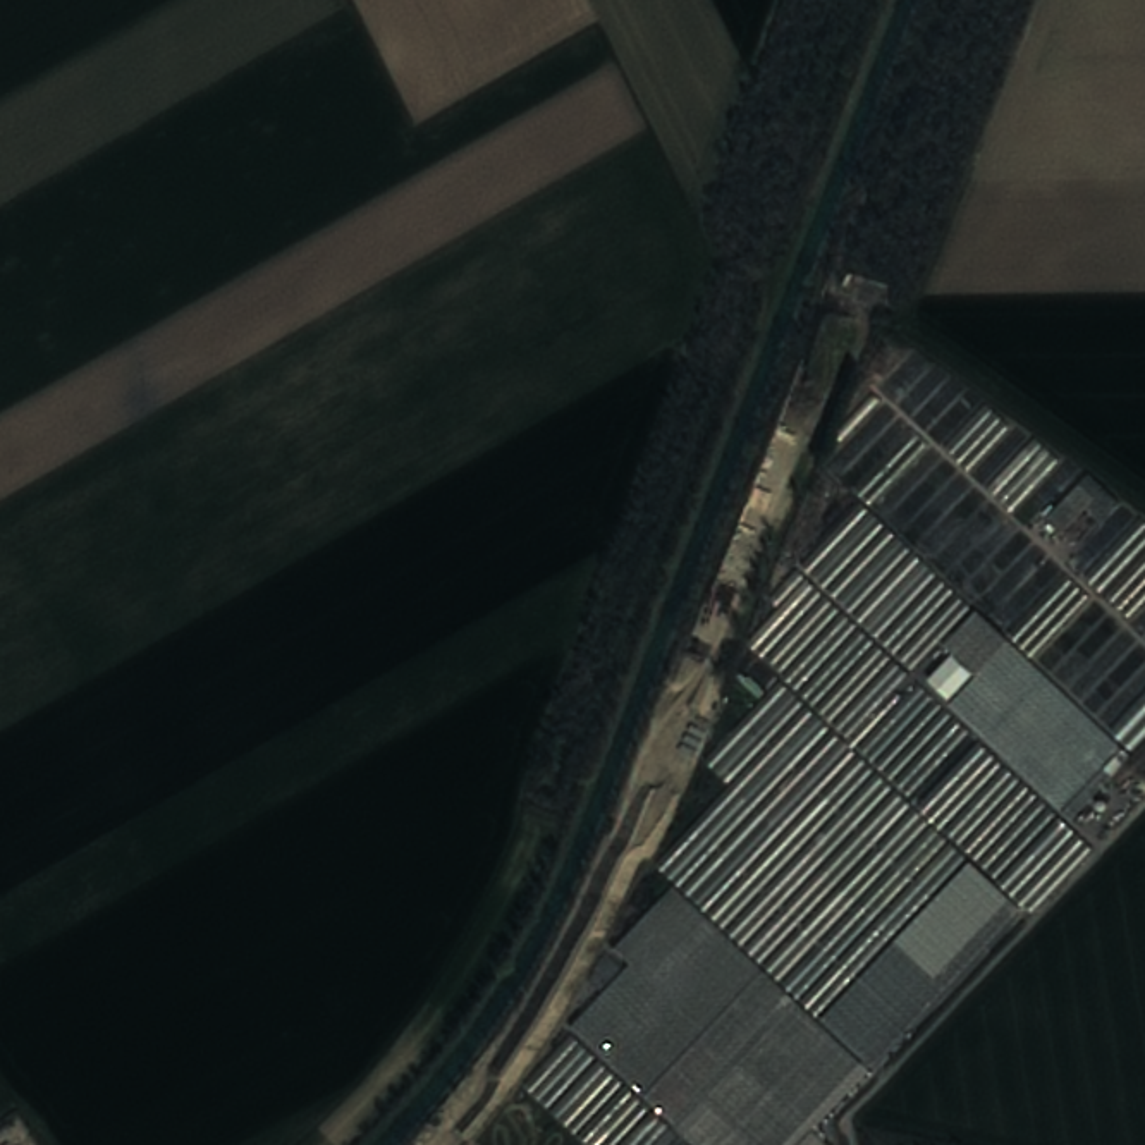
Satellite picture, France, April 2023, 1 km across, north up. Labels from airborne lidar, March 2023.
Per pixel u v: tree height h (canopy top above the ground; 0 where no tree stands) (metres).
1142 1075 0
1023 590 0
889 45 0
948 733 0
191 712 0
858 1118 0
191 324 0
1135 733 0
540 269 0
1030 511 0
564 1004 0
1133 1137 0
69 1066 0
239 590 0
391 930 0
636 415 0
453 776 0
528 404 0
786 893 0
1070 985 0
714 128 0
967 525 0
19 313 0
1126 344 0
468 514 0
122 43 0
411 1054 0
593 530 0
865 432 0
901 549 0
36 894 0
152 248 0
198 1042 0
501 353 0
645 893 0
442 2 0
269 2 0
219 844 0
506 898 0
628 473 0
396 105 0
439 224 0
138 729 0
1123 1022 0
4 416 0
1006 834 0
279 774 0
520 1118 0
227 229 0
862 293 0
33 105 0
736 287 12
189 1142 0
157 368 0
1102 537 0
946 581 0
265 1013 0
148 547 0
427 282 0
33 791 0
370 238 0
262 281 0
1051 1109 0
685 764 0
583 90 0
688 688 0
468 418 0
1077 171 0
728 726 0
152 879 0
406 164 0
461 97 0
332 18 0
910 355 0
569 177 0
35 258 0
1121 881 0
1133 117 0
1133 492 0
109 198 0
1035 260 0
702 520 0
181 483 0
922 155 16
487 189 0
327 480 0
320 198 0
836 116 12
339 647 0
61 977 0
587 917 0
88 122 0
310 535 0
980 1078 0
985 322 0
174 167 0
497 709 0
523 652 0
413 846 0
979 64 12
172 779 0
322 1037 0
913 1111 0
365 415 0
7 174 0
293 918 0
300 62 0
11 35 0
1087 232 0
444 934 0
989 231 0
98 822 0
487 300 0
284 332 0
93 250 0
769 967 0
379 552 0
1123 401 0
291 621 0
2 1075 0
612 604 10
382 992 0
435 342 0
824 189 0
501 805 0
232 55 0
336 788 0
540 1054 0
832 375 0
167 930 0
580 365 0
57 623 0
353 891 0
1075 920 0
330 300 0
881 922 0
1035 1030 0
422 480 0
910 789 0
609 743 20
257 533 0
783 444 0
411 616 0
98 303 0
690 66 0
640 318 0
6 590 0
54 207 0
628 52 0
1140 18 0
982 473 0
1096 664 0
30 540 0
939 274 0
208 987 0
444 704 0
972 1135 0
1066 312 0
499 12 0
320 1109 0
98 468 0
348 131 0
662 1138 0
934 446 0
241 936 0
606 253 0
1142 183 0
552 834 0
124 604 0
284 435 0
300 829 0
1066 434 0
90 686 0
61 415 0
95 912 0
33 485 0
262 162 0
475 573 0
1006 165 0
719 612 0
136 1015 0
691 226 0
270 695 0
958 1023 0
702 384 14
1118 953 0
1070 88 0
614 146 0
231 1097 0
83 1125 0
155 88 0
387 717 0
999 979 0
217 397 0
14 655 0
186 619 0
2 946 0
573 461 0
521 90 0
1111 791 0
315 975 0
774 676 0
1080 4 0
